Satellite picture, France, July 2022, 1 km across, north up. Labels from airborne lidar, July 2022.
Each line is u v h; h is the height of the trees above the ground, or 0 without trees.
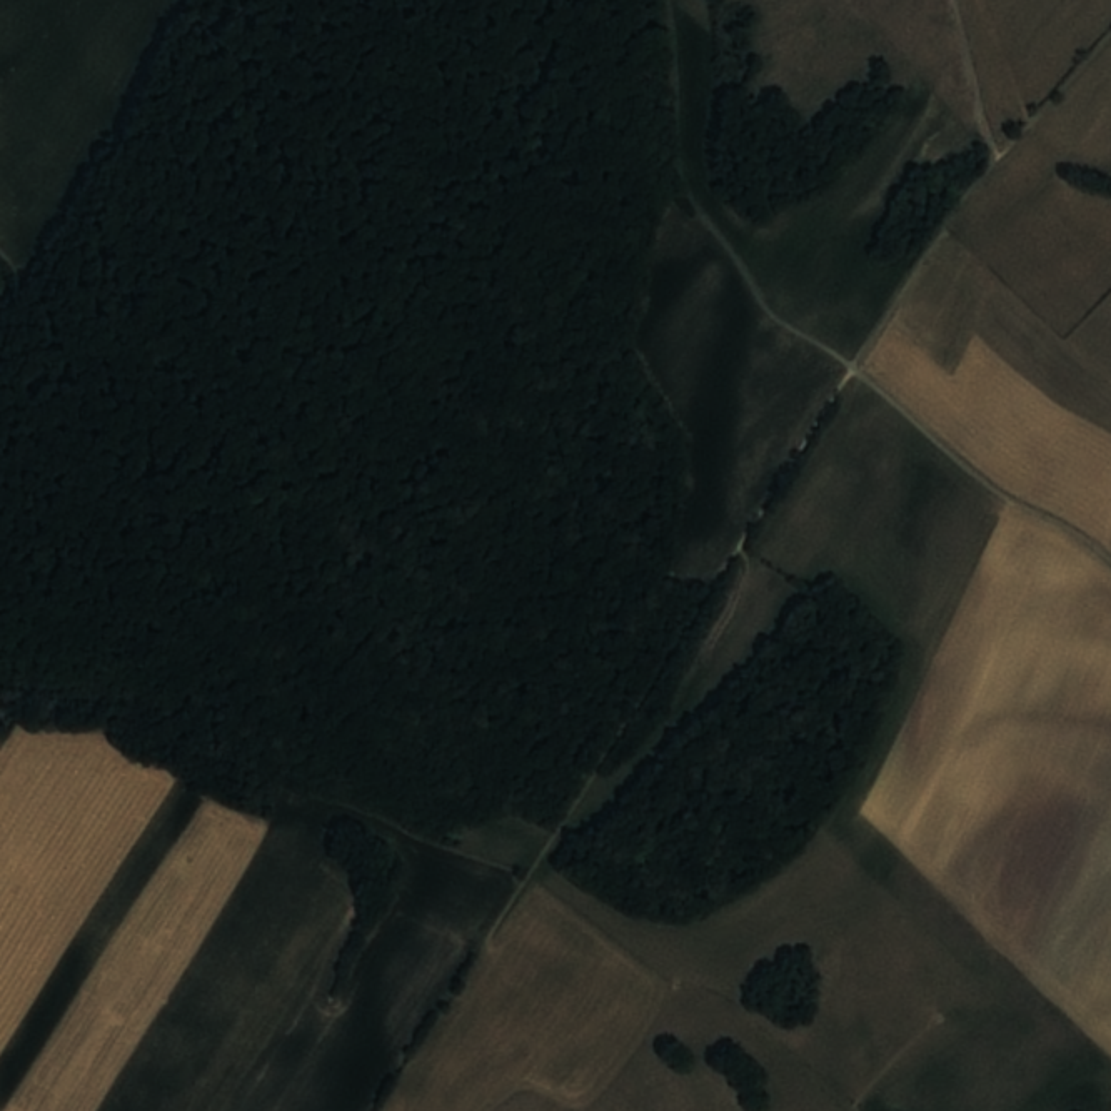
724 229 0
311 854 0
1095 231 0
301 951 0
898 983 0
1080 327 0
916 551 0
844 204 0
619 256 16
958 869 0
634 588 29
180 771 21
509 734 29
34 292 25
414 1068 0
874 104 15
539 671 23
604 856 22
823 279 0
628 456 29
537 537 30
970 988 0
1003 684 0
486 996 0
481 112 27
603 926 0
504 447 29
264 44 28
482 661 32
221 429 29
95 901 0
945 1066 0
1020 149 0
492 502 27
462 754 25
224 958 0
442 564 27
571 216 32
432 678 28
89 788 0
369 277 27
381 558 21
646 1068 0
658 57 26
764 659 16
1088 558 0
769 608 0
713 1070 13
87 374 28
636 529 23
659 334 0
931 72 0
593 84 28
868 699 26
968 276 0
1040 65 0
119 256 22
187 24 22
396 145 26
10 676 21
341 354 26
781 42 0
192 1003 0
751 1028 0
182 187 25
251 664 27
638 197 29
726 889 23
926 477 0
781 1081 0
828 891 0
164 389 27
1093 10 0
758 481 0
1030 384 0
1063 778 0
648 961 0
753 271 0
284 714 29
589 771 23
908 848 0
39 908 0
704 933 0
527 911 0
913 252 10
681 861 16
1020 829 0
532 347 27
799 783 25
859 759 19
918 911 0
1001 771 0
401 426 29
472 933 0
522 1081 0
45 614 28
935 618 0
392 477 28
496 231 20
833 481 0
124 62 0
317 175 23
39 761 0
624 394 28
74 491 28
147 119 24
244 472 25
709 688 0
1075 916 0
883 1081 0
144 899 0
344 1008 0
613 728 26
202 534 26
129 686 23
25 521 29
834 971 0
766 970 19
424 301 28
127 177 26
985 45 0
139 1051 0
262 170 26
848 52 0
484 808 22
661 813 21
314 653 27
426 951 0
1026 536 0
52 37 0
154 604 27
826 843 0
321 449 24
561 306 22
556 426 25
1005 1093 0
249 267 27
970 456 0
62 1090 0
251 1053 0
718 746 27
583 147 31
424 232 28
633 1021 0
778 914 0
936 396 0
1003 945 0
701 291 0
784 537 0
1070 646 0
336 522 26
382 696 30
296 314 26
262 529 27
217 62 29
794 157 17
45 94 0
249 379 28
